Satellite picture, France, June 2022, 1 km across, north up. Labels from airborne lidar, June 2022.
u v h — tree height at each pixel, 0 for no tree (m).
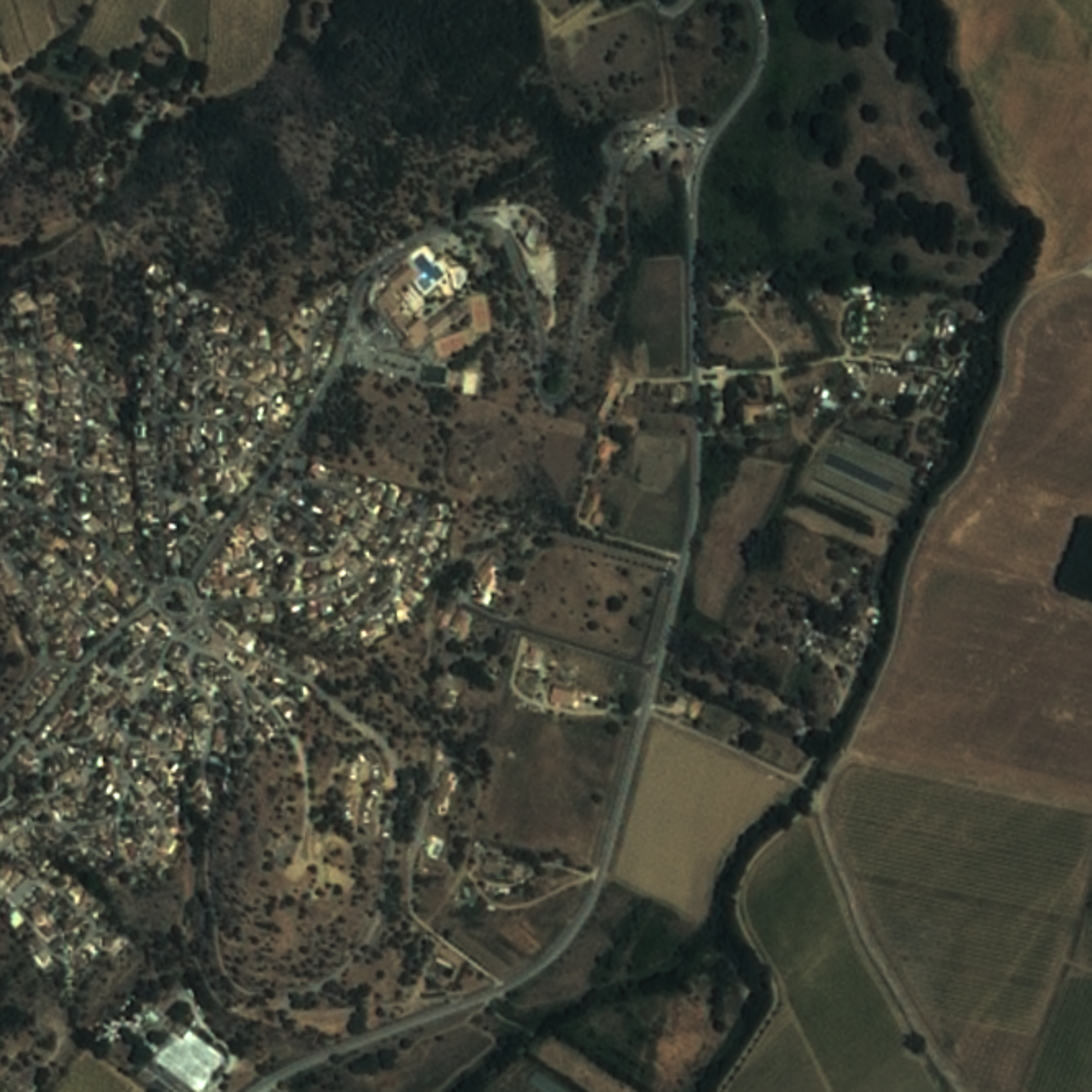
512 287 6
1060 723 0
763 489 0
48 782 10
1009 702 0
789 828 10
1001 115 0
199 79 17
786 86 0
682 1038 0
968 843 0
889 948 0
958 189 0
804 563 0
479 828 0
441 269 0
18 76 8
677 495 0
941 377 6
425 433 0
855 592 12
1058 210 0
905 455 7
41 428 7
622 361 0
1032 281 12
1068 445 0
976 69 0
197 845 9
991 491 0
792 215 0
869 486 0
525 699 0
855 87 12
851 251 0
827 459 0
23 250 8
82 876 7
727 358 10
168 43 9
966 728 0
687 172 0
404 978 7
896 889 0
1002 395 0
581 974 0
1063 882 0
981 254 11
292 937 0
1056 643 0
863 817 0
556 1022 8
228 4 0
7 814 7
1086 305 0
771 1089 0
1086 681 0
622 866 0
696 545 10
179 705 9
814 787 8
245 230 6
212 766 9
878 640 9
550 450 0
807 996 0
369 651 8
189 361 8
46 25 0
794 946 0
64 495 7
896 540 9
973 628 0
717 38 0
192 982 9
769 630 18
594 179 8
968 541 0
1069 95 0
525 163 12
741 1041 7
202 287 7
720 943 14
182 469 9
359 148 8
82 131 11
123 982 0
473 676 9
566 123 15
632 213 6
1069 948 0
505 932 0
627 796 0
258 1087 0
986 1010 0
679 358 0
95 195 6
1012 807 0
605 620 0
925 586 0
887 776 0
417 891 7
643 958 0
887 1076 0
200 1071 0
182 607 7
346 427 10
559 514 8
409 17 6
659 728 0
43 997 0
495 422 0
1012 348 0
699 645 17
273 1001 8
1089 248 0
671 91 0
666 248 6
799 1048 0
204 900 11
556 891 0
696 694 15
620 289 10
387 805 8
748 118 0
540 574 0
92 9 9
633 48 0
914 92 0
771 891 0
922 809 0
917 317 0
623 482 0
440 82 6
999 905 0
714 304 7
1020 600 0
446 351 0
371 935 0
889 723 0
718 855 0
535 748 0
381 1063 8
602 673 0
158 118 5
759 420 8
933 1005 0
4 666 16
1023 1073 0
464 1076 7
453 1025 0
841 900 0
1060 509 0
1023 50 0
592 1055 6
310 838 0
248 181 8
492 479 0
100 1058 10
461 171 6
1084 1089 0
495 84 7
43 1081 12
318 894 6
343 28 9
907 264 12
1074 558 17
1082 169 0
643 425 6
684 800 0
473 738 8
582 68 0
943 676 0
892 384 0
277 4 0
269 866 6
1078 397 0
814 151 7
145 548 6
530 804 0
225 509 8
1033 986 0
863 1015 0
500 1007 11
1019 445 0
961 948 0
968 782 0
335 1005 6
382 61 11
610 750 0
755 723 11
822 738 16
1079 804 0
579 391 7
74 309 6
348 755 8
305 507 7
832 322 0
